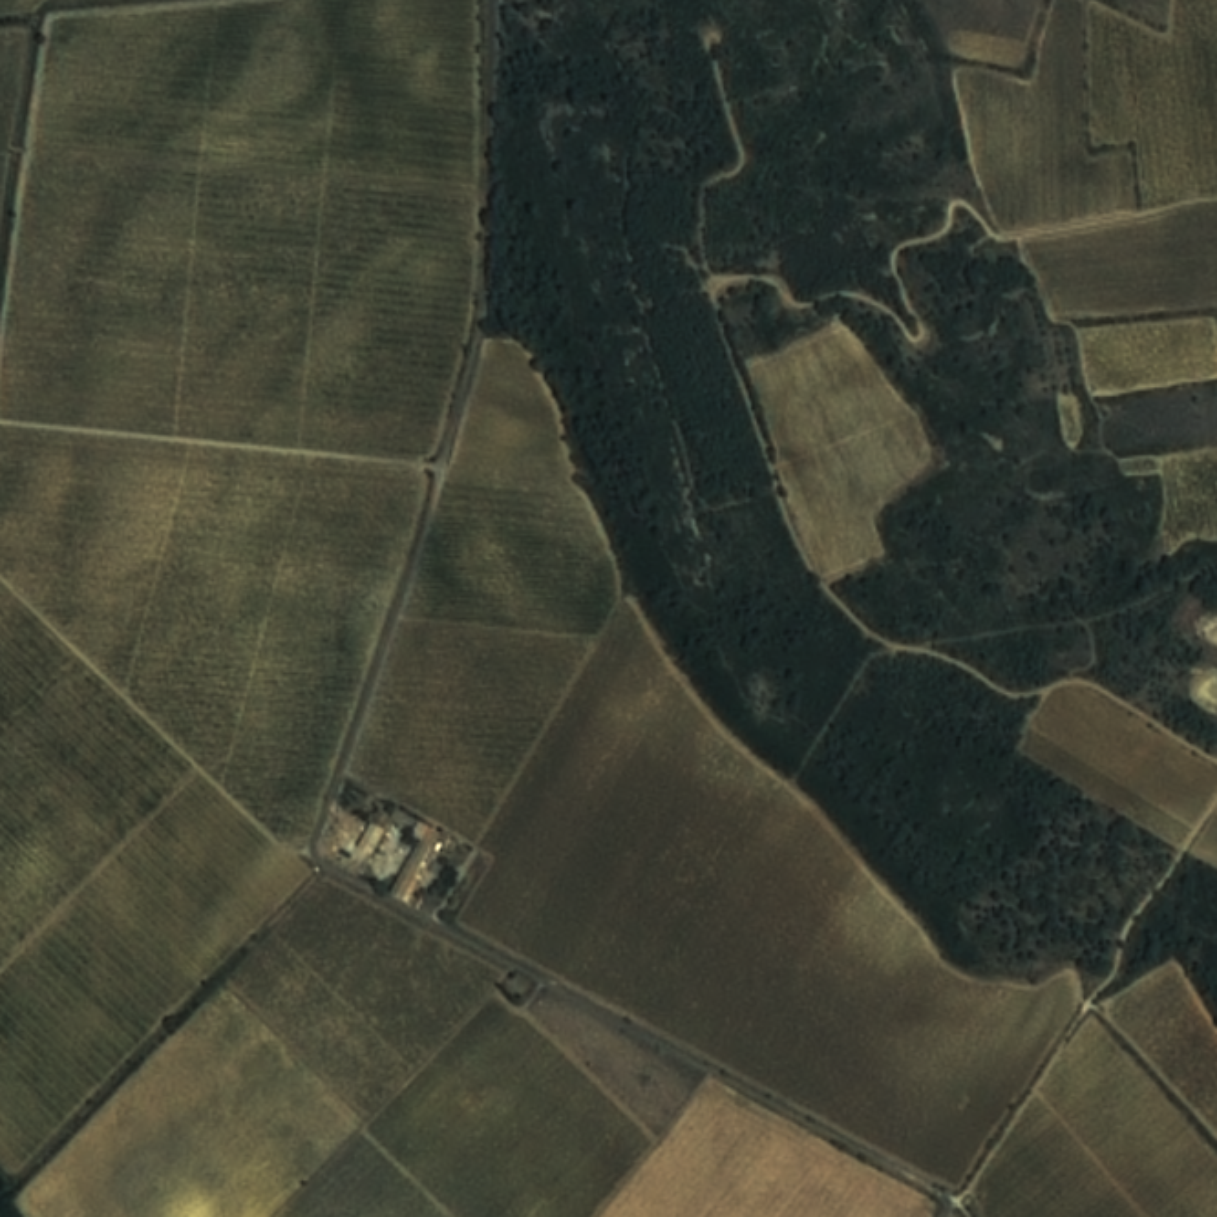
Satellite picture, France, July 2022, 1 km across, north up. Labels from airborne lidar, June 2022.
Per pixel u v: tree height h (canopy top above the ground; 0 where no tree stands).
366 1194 0
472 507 0
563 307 9
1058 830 11
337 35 0
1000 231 0
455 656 0
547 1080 0
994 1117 0
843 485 0
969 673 6
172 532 0
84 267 0
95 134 0
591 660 0
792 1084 0
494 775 0
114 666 0
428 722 0
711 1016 0
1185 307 0
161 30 0
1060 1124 0
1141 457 0
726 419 13
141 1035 0
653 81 0
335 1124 0
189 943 0
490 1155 0
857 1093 0
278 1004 0
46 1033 0
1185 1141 0
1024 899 11
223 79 0
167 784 0
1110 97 0
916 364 9
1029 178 0
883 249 9
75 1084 0
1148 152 0
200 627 0
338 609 0
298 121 0
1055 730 0
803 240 7
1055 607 10
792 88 0
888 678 10
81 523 0
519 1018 0
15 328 0
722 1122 0
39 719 0
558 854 0
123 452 0
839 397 0
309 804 0
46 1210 0
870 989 0
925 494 0
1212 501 0
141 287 0
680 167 9
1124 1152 0
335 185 0
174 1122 0
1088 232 0
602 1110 0
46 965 0
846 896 0
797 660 0
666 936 0
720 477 7
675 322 12
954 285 9
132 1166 0
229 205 0
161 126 0
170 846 0
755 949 0
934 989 0
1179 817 0
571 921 0
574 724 0
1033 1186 0
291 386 0
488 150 9
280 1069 0
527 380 0
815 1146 0
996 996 0
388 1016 0
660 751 0
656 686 0
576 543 0
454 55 0
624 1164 0
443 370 0
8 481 0
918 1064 0
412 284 0
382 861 0
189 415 0
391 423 0
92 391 0
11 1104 0
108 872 0
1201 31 0
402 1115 0
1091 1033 0
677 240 11
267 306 0
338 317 0
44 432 0
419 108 0
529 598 0
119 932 0
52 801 0
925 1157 0
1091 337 0
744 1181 0
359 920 0
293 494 0
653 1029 0
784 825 0
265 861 0
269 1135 0
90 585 0
